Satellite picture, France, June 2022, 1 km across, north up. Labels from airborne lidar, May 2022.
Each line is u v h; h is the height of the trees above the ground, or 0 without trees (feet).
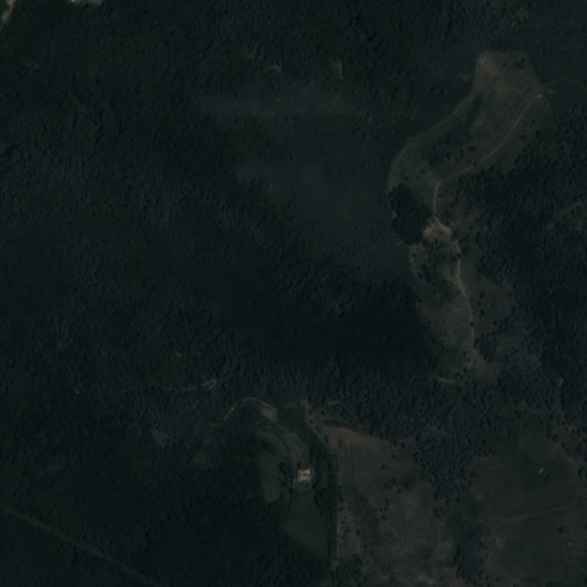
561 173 38
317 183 0
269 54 46
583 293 53
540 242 46
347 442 0
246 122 25
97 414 30
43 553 78
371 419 49
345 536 17
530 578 0
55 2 65
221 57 60
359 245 22
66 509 71
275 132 0
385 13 73
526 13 18
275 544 73
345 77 25
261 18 51
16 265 80
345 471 0
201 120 20
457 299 0
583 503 0
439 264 19
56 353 26
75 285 62
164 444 21
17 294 54
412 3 53
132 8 79
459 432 24
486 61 0
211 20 27
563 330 55
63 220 74
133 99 78
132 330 65
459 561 51
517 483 0
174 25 66
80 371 23
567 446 28
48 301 51
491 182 46
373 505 0
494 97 0
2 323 42
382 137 30
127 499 68
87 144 63
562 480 0
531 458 0
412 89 25
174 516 107
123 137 65
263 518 30
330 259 29
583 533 0
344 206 0
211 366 19
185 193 68
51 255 58
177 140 54
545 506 0
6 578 57
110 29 62
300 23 56
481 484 0
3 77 83
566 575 0
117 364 35
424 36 34
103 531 74
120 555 78
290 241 25
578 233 38
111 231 70
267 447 42
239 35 54
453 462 50
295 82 25
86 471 63
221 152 71
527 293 45
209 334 36
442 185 0
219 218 75
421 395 48
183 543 87
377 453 0
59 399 42
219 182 71
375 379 50
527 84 0
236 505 55
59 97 72
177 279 56
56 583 87
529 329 41
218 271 49
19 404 53
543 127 0
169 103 21
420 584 0
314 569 28
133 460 41
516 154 0
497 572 0
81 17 68
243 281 57
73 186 61
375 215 0
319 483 27
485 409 26
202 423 32
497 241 45
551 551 0
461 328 0
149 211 67
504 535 0
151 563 74
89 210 64
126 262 77
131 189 46
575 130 31
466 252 32
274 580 32
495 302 0
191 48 75
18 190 74
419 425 48
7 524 69
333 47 51
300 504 0
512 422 39
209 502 90
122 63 42
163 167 97
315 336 68
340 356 66
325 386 43
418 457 44
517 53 0
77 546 19
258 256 61
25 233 75
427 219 36
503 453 0
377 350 76
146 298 56
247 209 89
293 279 62
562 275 59
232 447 28
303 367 56
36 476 38
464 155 29
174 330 30
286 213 27
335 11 60
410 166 0
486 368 0
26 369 52
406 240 32
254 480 46
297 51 52
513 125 0
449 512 0
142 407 41
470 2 23
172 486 60
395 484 38
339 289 61
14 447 41
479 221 31
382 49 75
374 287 57
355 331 66
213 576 43
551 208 27
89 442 45
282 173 0
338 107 0
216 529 88
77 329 62
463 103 0
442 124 0
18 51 71
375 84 35
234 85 18
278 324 70
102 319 56
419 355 66
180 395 31
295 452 0
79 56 51
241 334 60
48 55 86
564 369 45
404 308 59
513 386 24
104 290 64
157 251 54
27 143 68
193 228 50
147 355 40
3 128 62
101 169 104
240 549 59
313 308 63
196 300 54
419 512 0
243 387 26
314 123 25
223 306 54
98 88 105
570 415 45
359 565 25
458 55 0
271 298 72
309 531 0
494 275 34
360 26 100
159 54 78
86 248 70
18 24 50
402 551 0
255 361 35
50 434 51
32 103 75
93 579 77
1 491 96
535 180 53
